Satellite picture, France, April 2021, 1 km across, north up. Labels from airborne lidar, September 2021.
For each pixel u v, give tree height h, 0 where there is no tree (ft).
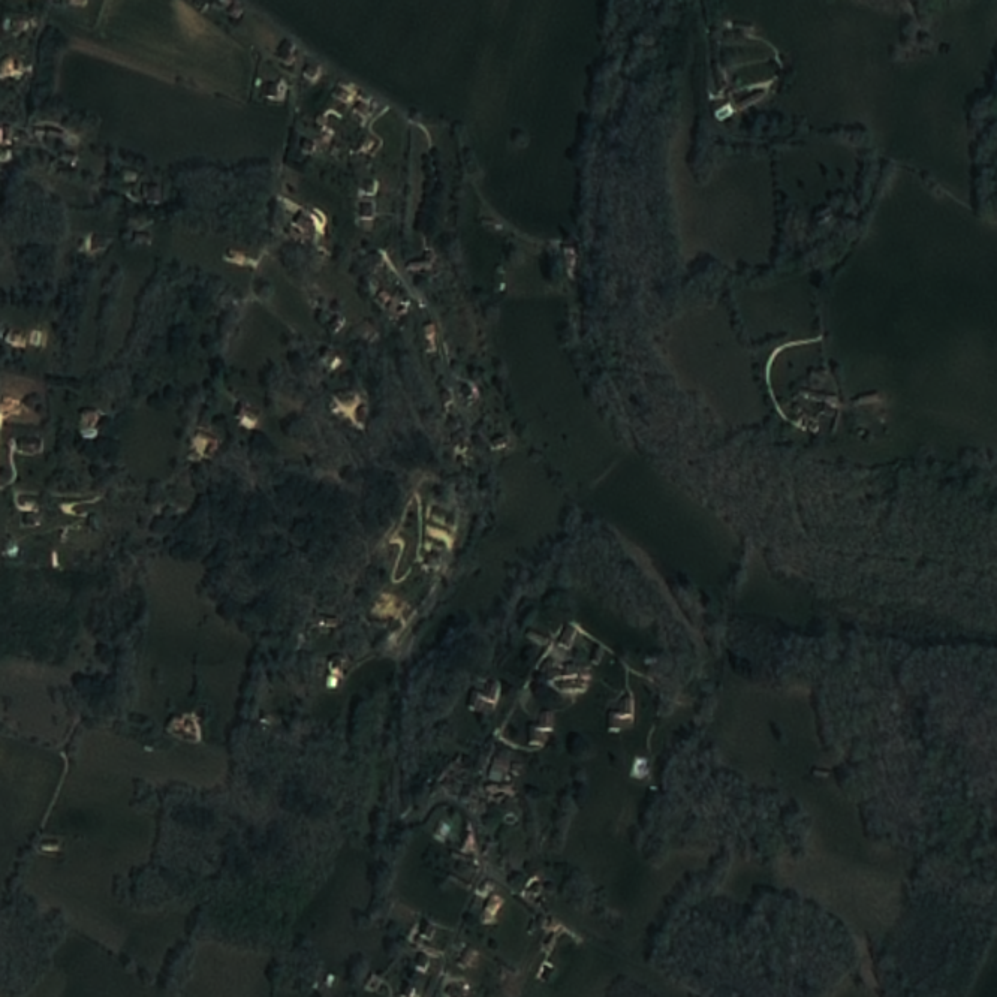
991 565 69
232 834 56
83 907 0
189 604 0
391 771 0
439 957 0
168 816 54
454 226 20
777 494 42
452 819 30
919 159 0
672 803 76
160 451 0
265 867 62
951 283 0
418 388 84
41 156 27
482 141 0
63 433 39
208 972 0
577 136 0
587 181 55
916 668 61
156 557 32
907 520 68
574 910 32
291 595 76
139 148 0
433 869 27
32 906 54
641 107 60
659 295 58
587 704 0
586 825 0
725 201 0
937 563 68
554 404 0
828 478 58
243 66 0
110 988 0
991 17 0
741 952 70
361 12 0
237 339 35
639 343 56
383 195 23
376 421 56
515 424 21
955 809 77
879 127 0
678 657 62
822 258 65
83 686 52
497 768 0
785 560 43
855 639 81
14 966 63
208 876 59
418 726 39
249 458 43
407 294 35
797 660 62
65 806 0
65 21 0
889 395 0
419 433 52
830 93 0
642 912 0
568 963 0
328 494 62
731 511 54
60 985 0
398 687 37
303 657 48
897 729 67
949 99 0
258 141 0
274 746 77
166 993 62
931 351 0
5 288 0
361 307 0
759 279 43
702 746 20
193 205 71
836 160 0
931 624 21
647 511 0
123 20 0
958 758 65
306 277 57
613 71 59
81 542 0
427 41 0
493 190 0
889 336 0
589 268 38
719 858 21
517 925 0
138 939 0
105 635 38
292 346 55
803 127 30
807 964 59
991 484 65
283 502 60
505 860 37
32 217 57
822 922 81
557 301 0
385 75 0
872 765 48
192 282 40
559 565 66
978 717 50
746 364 0
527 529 0
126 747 0
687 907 64
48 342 0
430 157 26
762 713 0
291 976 49
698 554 0
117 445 27
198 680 19
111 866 0
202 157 0
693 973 68
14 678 0
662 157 70
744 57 32
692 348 0
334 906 0
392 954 60
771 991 56
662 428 51
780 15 0
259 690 70
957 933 65
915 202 0
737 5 0
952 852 60
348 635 69
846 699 68
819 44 0
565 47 0
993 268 0
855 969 64
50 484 38
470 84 0
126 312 0
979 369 0
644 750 0
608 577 86
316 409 62
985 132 22
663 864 49
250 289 0
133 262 0
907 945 61
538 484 0
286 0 0
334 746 57
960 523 72
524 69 0
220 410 53
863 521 63
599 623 0
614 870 0
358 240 0
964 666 85
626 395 33
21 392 0
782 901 68
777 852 65
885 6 47
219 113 0
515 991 0
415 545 0
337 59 0
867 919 0
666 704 66
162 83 0
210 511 47
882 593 66
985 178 67
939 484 27
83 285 24
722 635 75
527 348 0
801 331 0
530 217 0
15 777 0
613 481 0
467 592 0
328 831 65
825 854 0
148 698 0
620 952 0
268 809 65
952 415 0
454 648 61
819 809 0
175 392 34
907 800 57
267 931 63
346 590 46
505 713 29
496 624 46
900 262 0
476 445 35
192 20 0
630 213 64
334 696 0
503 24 0
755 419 0
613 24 75
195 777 0
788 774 0
